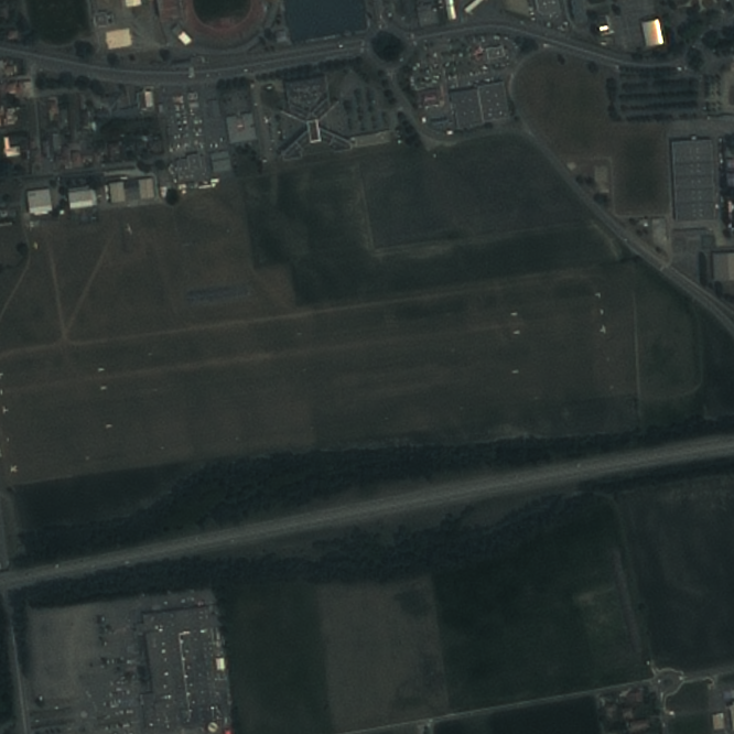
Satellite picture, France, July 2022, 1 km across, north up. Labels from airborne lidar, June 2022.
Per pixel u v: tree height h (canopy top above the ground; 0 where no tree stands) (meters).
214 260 0
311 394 0
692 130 0
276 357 0
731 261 0
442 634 0
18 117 0
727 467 13
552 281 0
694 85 12
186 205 0
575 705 0
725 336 0
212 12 0
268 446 0
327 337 0
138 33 0
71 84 12
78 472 0
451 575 0
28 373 0
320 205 0
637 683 0
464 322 0
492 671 0
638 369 0
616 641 0
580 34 0
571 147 0
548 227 0
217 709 0
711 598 0
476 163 0
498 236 0
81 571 0
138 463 0
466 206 0
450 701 0
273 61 0
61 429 0
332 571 21
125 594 14
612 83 10
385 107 0
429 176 0
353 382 0
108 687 0
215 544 0
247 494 9
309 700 0
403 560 22
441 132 0
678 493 0
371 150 0
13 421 0
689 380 0
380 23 0
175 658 0
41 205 0
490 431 0
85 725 0
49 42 0
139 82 0
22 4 0
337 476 6
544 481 0
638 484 9
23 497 0
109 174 0
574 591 0
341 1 0
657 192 0
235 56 0
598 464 0
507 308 0
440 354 0
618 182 0
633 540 0
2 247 0
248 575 19
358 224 0
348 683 0
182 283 0
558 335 0
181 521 0
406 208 0
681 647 0
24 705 0
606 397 0
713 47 12
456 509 0
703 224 0
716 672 0
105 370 0
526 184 0
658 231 0
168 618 0
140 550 0
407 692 0
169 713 0
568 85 0
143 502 0
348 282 0
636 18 0
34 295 0
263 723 0
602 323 0
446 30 0
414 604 0
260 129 0
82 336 0
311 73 11
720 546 0
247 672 0
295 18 0
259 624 0
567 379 0
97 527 13
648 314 0
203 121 0
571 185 0
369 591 0
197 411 0
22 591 6
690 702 0
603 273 0
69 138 7
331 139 0
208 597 0
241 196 0
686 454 0
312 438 0
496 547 21
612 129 0
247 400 0
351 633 0
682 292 0
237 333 0
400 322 0
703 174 0
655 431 15
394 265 0
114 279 0
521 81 0
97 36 0
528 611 0
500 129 0
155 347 0
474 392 0
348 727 0
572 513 21
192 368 0
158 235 0
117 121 7
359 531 11
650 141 0
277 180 0
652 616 0
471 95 0
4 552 0
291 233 0
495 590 0
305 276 0
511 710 0
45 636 0
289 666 0
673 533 0
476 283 0
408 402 0
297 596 0
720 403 0
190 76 0
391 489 0
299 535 0
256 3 0
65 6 0
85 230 0
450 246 0
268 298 0
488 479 0
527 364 0
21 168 12
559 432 0
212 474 9
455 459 10
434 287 0
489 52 0
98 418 0
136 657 0
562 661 0
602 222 0
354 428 0
